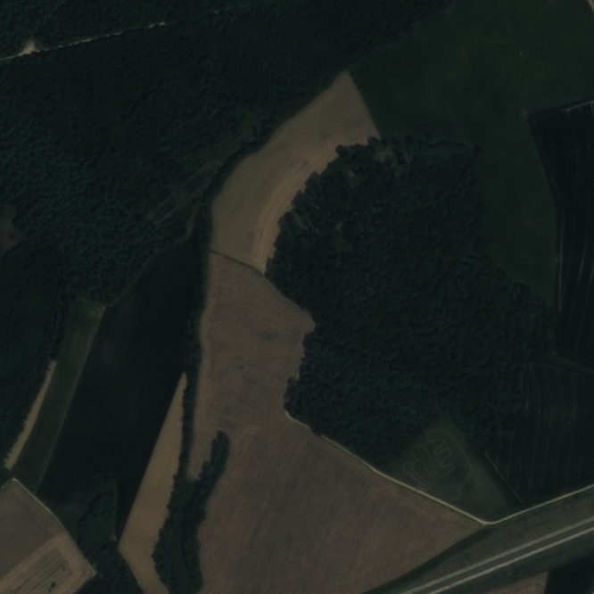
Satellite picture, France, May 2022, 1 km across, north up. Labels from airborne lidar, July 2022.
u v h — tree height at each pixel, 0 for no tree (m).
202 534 0
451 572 0
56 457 0
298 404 15
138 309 0
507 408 16
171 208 7
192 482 0
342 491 0
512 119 0
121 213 20
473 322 26
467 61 0
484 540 0
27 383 20
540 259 0
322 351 31
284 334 0
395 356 23
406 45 0
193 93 16
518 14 0
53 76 13
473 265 19
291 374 0
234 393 0
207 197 15
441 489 0
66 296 23
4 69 10
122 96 11
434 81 0
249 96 19
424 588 0
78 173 32
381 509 0
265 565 0
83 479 0
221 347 0
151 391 0
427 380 21
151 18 20
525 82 0
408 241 24
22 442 0
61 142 20
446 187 13
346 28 23
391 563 0
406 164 26
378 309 24
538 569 0
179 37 9
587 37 0
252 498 0
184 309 0
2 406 14
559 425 0
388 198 24
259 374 0
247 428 0
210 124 19
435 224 29
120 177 29
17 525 0
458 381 25
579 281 0
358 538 0
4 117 25
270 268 17
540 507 0
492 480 0
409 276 27
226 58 28
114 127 15
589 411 0
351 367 20
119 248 21
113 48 12
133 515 0
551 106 0
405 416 20
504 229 0
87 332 0
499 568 0
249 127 0
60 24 23
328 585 0
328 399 29
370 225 25
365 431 24
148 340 0
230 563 0
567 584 0
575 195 0
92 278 10
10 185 19
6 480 22
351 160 17
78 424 0
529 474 0
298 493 0
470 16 0
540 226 0
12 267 11
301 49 27
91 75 14
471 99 0
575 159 0
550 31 0
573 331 0
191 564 15
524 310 27
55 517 0
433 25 0
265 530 0
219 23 19
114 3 24
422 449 0
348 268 22
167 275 0
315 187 24
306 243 27
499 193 0
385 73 0
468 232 20
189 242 0
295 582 0
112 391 0
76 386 0
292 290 25
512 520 0
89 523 19
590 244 0
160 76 14
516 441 0
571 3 0
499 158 0
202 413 0
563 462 0
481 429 23
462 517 0
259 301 0
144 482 0
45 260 12
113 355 0
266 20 20
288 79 30
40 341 18
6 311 11
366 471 0
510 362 24
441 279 15
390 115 0
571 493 0
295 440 0
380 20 20
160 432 0
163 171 28
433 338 27
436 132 0
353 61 17
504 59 0
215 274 0
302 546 0
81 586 0
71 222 34
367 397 23
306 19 24
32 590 0
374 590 0
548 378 0
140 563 0
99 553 18
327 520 0
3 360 14
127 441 0
